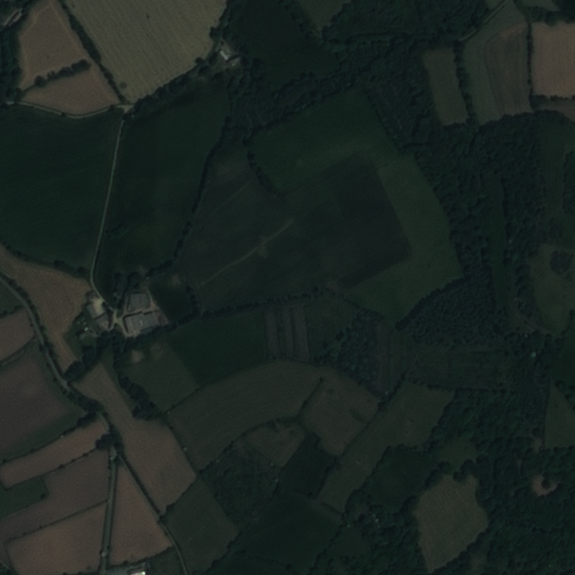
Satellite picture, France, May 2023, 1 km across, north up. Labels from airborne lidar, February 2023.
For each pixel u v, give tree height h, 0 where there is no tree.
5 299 0
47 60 0
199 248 0
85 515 0
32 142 0
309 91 21
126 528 0
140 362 0
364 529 17
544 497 9
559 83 0
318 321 0
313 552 0
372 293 0
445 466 17
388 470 0
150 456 0
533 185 11
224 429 0
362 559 6
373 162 0
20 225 0
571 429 0
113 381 0
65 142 0
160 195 0
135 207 0
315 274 0
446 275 0
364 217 0
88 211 0
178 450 0
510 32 0
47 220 0
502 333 28
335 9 0
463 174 20
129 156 0
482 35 0
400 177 0
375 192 0
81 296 0
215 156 14
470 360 0
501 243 0
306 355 0
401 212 0
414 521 14
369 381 20
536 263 0
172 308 0
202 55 0
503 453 20
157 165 0
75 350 0
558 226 0
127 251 0
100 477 0
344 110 0
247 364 0
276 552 0
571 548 8
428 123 23
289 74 0
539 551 7
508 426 22
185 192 0
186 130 0
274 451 0
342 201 0
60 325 0
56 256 0
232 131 18
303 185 0
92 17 0
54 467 0
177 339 0
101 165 0
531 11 5
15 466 0
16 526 0
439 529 0
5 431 0
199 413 0
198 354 0
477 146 7
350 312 0
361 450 0
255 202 0
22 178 0
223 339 0
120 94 6
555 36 0
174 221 0
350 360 16
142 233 0
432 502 0
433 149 19
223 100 0
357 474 0
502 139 16
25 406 0
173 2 0
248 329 0
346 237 0
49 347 14
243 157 0
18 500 0
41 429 0
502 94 0
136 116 8
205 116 0
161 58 0
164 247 0
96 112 0
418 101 18
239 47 12
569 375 0
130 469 11
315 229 0
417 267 0
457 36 7
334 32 10
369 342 18
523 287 7
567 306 0
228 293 0
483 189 18
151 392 0
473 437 13
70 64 0
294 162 0
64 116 10
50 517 0
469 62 0
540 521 20
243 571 0
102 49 0
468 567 11
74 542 0
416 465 0
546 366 6
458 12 8
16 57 14
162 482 0
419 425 0
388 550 16
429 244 0
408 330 26
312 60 0
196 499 0
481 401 13
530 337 11
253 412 0
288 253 0
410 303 0
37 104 0
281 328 0
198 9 0
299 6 10
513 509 19
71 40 0
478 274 29
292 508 0
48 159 0
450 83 0
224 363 0
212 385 0
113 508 0
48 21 0
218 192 0
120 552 0
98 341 11
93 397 0
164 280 0
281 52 0
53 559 0
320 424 0
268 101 7
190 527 0
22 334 0
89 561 0
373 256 0
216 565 10
